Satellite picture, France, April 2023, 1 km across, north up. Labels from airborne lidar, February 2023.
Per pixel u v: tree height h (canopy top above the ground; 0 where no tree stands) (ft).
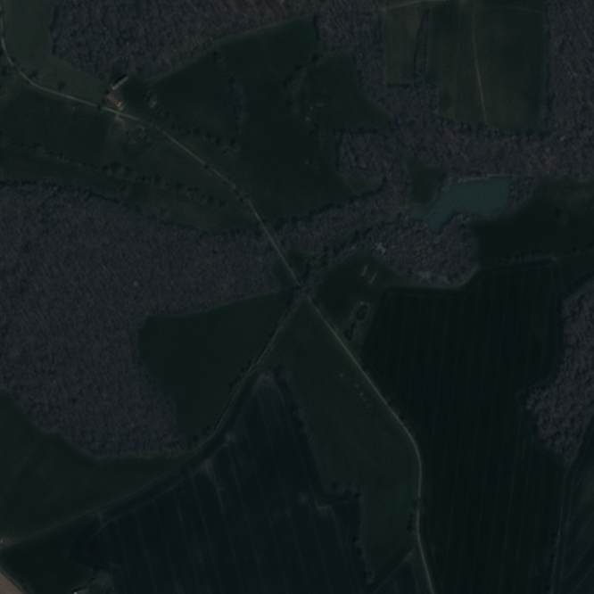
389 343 0
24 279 72
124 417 76
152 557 0
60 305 77
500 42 0
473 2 0
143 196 0
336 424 0
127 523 0
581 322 75
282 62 0
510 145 21
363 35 58
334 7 71
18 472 0
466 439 0
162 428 70
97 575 50
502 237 0
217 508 0
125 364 72
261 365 0
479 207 0
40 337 69
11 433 0
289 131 0
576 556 0
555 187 0
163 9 78
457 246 25
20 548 0
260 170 0
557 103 67
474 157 70
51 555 0
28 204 70
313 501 0
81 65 60
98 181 0
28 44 0
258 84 0
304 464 0
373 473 0
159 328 0
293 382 0
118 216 59
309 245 70
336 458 0
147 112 0
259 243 58
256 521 0
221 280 55
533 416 20
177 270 73
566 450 34
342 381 0
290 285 0
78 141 0
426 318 0
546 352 0
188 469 0
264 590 0
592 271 0
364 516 0
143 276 74
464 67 0
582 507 0
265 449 0
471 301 0
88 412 74
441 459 0
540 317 0
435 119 47
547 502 0
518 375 0
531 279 0
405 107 61
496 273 0
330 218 44
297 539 0
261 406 0
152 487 0
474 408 0
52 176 0
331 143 0
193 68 0
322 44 48
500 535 0
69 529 0
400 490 0
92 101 0
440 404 0
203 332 0
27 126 0
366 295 0
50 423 71
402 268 40
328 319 48
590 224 0
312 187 0
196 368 0
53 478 0
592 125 74
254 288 54
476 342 0
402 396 0
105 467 0
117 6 78
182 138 0
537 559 0
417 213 0
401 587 0
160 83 0
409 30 0
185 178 0
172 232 60
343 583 0
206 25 72
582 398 52
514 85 0
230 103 0
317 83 0
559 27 54
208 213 0
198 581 0
